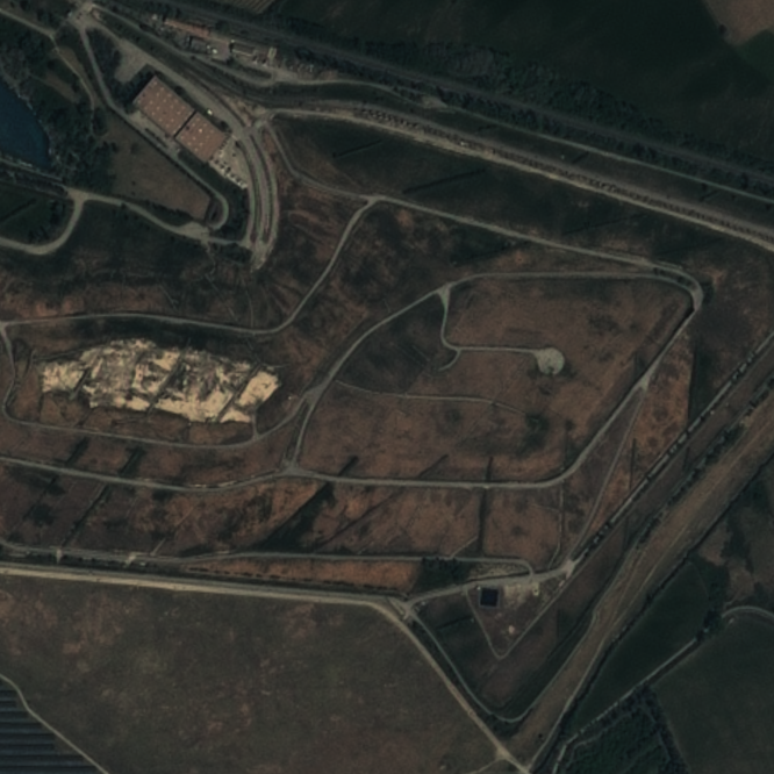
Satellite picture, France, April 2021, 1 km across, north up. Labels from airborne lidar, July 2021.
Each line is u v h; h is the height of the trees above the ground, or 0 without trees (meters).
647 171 0
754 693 0
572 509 0
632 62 0
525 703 0
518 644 0
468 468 0
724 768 0
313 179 0
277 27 11
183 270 0
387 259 0
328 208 0
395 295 0
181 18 14
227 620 0
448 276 0
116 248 0
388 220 0
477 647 0
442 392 0
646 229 0
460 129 0
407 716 0
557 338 0
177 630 0
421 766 0
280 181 0
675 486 0
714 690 0
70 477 0
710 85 0
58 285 0
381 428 0
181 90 10
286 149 0
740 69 0
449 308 0
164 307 0
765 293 0
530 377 0
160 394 0
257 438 0
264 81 0
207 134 0
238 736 0
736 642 0
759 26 0
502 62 19
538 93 13
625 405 0
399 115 0
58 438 0
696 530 0
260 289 0
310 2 0
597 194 0
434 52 6
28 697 0
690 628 0
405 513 0
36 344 0
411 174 0
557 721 0
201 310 0
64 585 0
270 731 0
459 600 0
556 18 0
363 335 0
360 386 0
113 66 8
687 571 0
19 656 0
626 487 0
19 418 0
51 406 0
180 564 0
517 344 0
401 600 0
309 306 0
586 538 0
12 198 0
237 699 0
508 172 0
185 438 0
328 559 0
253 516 0
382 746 0
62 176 14
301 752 0
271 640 0
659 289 0
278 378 0
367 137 0
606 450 0
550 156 0
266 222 0
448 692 0
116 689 0
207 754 0
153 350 0
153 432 0
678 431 0
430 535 0
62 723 0
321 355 0
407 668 0
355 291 0
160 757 0
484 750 0
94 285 0
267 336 0
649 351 0
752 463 0
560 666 0
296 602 0
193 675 0
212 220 0
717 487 0
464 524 0
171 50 0
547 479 0
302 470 0
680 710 0
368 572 0
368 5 0
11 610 0
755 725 0
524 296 0
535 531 0
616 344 0
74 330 0
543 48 0
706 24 0
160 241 0
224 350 0
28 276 0
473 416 0
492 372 0
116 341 0
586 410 0
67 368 0
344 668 0
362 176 0
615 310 0
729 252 0
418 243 0
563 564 0
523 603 0
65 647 0
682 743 0
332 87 0
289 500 0
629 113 12
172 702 0
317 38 11
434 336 0
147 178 0
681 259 0
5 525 0
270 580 0
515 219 0
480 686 0
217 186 0
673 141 10
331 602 0
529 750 0
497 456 0
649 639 0
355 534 0
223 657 0
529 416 0
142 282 0
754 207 0
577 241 0
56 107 0
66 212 6
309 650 0
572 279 0
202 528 0
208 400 0
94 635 0
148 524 0
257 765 0
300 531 0
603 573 0
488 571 0
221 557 0
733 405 0
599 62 0
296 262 0
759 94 0
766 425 0
